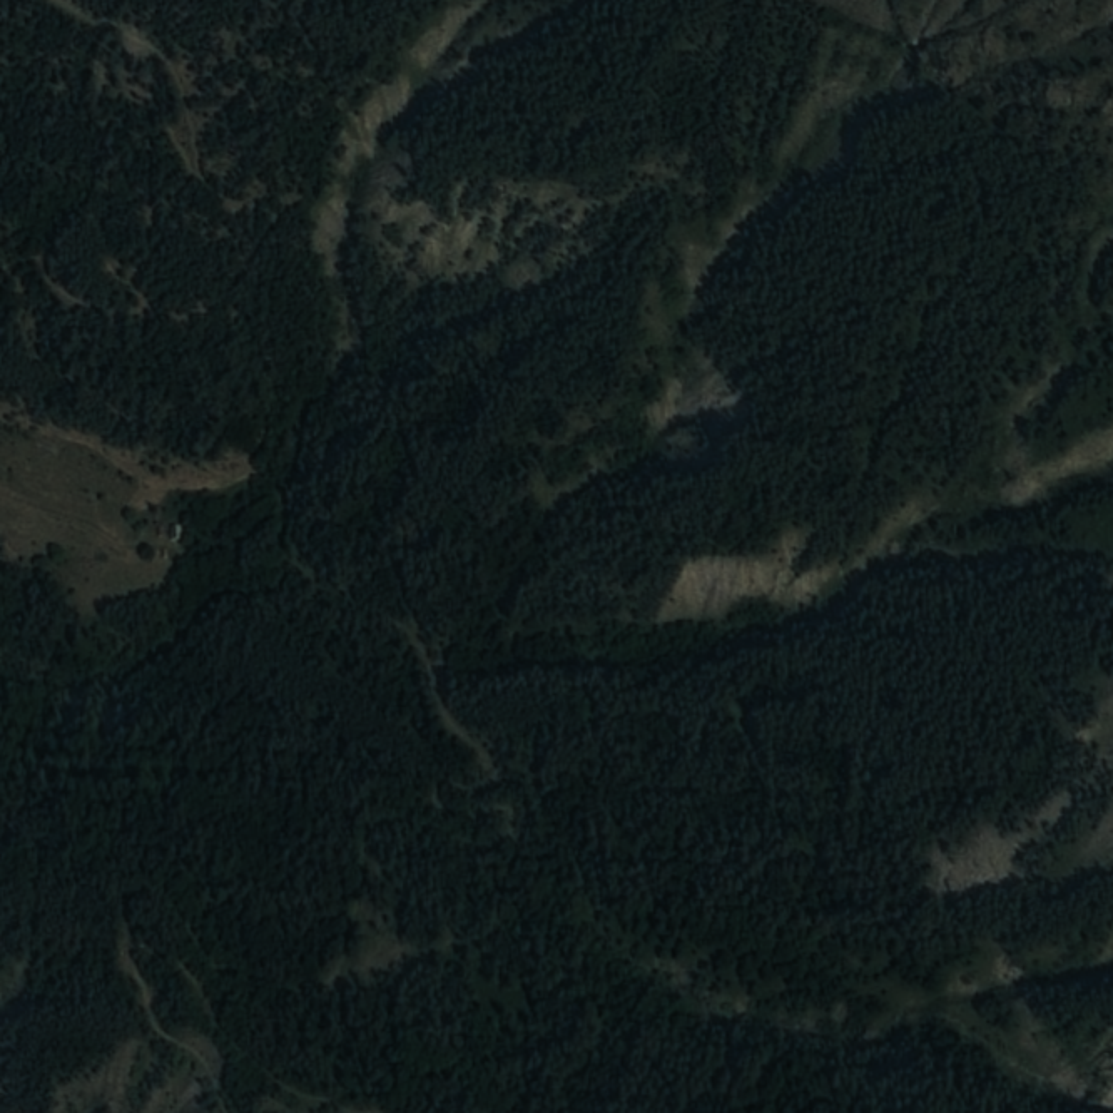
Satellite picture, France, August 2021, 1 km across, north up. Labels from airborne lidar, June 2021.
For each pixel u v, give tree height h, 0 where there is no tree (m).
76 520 0
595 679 30
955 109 31
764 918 14
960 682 33
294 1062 30
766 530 17
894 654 38
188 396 20
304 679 18
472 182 11
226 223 11
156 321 14
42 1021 17
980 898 25
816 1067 15
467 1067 24
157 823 23
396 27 22
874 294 29
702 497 23
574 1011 16
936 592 39
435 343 29
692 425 13
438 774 13
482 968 0
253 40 11
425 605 18
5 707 21
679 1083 32
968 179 32
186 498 14
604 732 24
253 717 24
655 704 34
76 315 15
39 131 12
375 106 0
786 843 30
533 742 10
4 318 29
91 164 15
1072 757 14
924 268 16
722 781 30
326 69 32
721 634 7
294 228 13
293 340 19
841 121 0
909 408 21
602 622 9
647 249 26
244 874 27
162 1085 14
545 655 14
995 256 30
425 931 10
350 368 26
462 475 33
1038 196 30
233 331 19
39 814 19
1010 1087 16
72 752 20
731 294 25
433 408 40
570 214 7
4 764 23
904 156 29
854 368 26
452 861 20
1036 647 30
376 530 16
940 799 18
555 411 33
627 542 26
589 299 26
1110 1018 22
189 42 7
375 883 15
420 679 22
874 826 14
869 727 28
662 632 10
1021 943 29
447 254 0
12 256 8
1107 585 22
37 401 30
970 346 28
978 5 7
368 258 21
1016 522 17
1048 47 0
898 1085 19
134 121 15
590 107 31
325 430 19
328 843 30
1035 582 29
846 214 31
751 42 15
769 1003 10
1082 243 8
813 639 29
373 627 29
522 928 15
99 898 18
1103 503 6
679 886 26
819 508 30
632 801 10
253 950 20
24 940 24
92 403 37
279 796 18
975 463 22
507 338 9
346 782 21
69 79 18
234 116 20
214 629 18
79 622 29
